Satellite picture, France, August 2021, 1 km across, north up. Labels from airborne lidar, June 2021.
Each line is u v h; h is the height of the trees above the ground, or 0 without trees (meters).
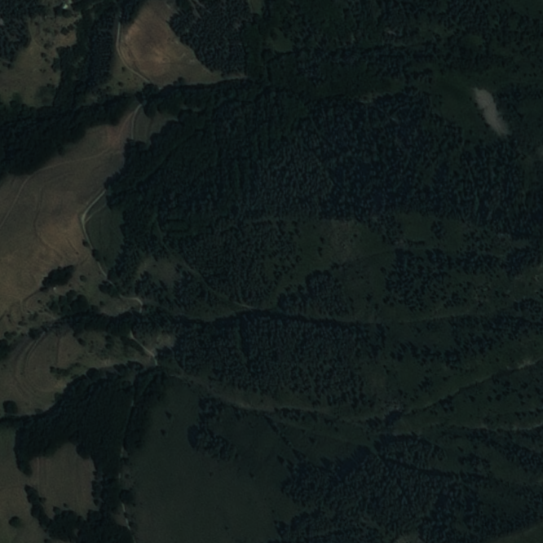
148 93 11
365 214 16
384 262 0
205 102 18
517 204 7
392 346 0
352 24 14
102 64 15
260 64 10
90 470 0
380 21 13
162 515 0
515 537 0
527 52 14
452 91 0
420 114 10
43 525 11
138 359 0
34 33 0
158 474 0
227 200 21
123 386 13
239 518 0
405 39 23
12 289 0
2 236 0
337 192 12
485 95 0
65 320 7
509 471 0
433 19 12
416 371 0
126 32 0
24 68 0
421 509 20
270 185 27
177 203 14
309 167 28
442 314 0
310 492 20
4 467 0
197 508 0
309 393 16
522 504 0
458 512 7
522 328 9
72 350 0
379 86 13
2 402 0
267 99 15
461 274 10
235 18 16
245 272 22
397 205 15
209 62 17
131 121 0
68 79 23
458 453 0
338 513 12
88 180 0
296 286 9
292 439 0
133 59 0
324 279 26
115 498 17
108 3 14
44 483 0
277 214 16
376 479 21
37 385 0
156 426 0
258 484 0
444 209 18
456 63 8
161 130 0
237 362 25
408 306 12
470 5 11
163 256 20
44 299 0
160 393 10
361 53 10
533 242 7
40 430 18
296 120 18
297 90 24
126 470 0
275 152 23
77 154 0
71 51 18
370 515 8
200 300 27
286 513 0
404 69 11
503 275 0
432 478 20
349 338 27
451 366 10
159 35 0
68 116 26
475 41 0
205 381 0
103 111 24
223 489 0
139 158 15
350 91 13
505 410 0
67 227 0
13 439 0
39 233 0
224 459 16
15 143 26
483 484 8
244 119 11
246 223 20
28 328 0
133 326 9
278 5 15
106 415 19
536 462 9
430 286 12
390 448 22
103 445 21
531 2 0
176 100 20
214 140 16
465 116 0
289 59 15
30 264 0
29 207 0
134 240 11
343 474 12
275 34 11
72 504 0
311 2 14
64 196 0
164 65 0
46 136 23
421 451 16
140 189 16
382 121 13
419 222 0
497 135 0
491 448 10
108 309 0
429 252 0
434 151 11
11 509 0
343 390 18
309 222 12
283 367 23
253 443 0
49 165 0
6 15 20
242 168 18
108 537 18
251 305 18
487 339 9
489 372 0
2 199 0
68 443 6
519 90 7
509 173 6
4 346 15
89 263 0
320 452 0
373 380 0
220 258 27
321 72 19
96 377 15
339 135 17
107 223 0
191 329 30
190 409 0
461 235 0
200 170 13
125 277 25
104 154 0
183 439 0
